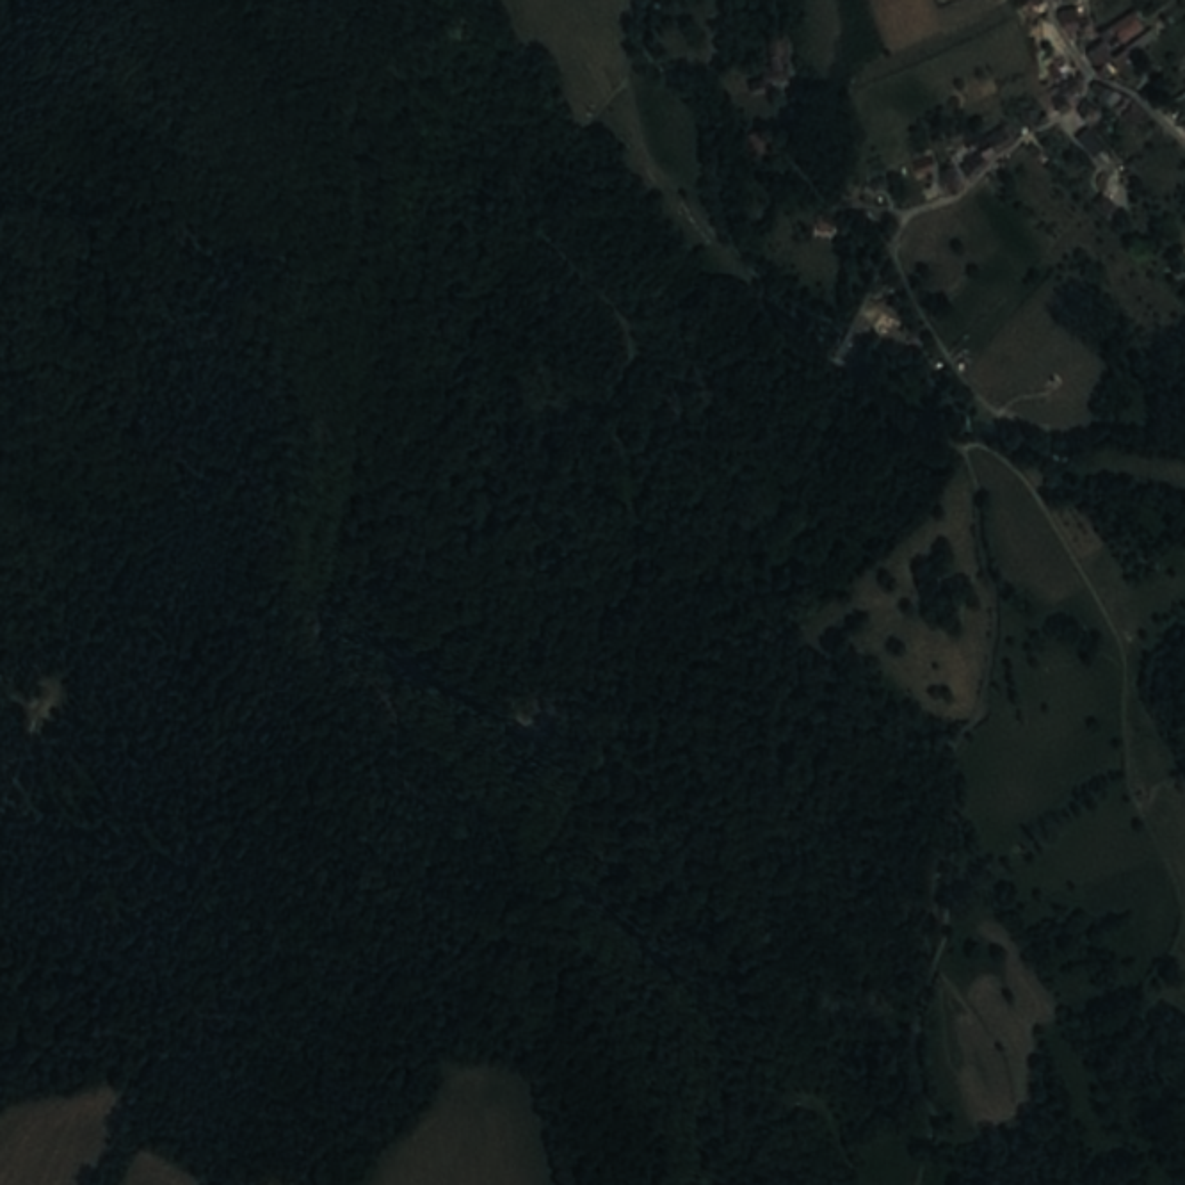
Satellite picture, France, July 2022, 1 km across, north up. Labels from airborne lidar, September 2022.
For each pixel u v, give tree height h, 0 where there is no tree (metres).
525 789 20
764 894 18
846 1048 7
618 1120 12
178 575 18
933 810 16
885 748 24
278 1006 18
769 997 24
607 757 11
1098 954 14
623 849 24
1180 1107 24
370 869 21
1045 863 0
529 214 14
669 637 22
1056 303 0
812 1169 26
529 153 14
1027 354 0
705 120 16
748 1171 29
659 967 57
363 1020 23
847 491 20
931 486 17
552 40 0
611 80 0
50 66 16
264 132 16
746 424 16
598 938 26
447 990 19
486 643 24
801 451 16
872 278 16
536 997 28
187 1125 19
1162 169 0
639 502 12
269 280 17
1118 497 19
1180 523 15
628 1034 31
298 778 15
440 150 16
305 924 16
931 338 13
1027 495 0
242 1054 19
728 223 13
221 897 19
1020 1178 25
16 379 15
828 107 17
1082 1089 0
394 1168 0
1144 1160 9
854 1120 16
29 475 19
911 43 0
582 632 31
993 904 14
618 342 11
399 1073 24
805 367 18
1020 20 0
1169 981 20
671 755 17
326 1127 24
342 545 27
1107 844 0
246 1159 25
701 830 26
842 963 24
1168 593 0
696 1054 22
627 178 18
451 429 24
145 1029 24
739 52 16
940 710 0
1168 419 30
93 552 15
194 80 19
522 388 25
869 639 0
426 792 20
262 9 28
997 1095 0
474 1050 21
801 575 18
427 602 26
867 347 21
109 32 15
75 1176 0
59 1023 13
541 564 28
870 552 13
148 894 23
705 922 10
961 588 20
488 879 23
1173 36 0
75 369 16
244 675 19
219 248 15
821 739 24
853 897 23
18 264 12
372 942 21
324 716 19
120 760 25
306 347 13
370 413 22
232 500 18
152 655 27
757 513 23
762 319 16
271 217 13
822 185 17
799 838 20
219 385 20
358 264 17
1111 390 11
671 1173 27
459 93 15
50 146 10
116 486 17
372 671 13
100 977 27
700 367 10
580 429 19
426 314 29
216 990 16
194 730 25
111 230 20
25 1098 11
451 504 29
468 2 11
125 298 21
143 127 13
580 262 19
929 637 0
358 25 21
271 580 17
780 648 25
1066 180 7
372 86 16
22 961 21
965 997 0
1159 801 0
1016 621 0
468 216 24
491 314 12
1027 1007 0
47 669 14
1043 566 0
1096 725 11
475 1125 0
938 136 9
